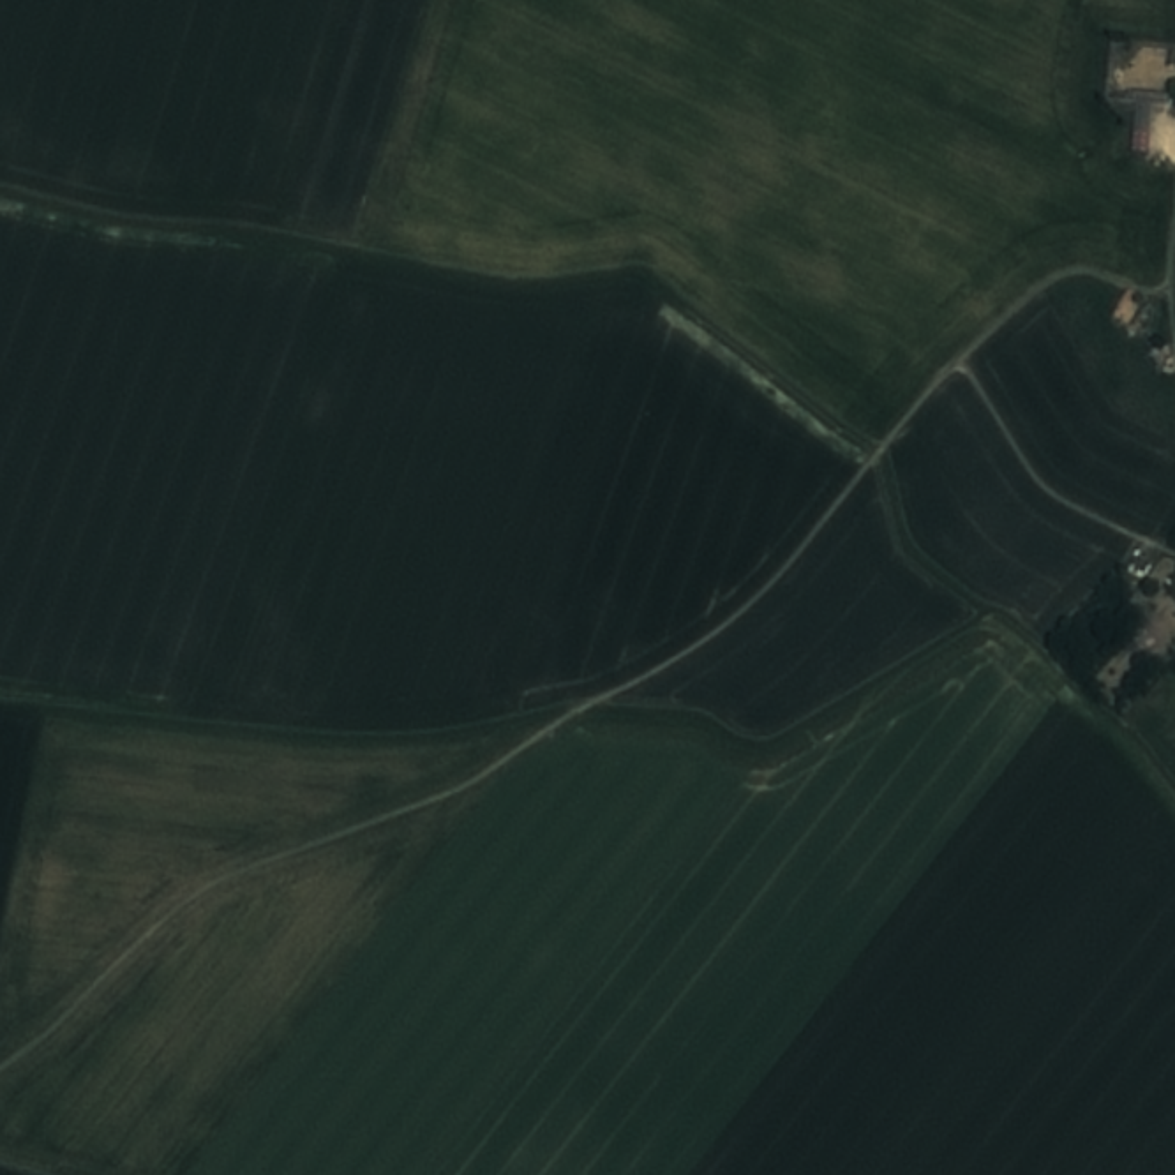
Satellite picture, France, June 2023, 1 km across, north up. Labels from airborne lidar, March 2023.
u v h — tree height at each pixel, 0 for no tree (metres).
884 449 0
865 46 0
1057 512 0
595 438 0
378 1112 0
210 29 0
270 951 0
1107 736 0
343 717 0
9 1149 0
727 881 0
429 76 0
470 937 0
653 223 0
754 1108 0
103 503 0
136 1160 0
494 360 0
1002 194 0
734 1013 0
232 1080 0
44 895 0
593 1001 0
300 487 0
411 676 0
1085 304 0
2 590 0
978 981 0
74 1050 0
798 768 0
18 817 0
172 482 0
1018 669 0
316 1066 0
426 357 0
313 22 0
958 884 0
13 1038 0
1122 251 0
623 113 0
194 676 0
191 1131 0
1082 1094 0
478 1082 0
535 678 0
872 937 0
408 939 0
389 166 0
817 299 0
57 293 0
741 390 0
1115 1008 0
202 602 0
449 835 0
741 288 0
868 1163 0
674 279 0
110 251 0
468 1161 0
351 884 0
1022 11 0
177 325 0
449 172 0
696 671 0
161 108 0
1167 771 0
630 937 0
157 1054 0
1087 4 0
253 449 0
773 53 0
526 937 0
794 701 0
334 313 0
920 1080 0
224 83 0
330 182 0
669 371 0
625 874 0
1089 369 0
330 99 0
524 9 0
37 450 0
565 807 0
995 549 0
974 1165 0
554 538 0
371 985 0
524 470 0
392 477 0
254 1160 0
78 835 0
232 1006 0
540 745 0
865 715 0
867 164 0
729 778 0
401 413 0
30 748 0
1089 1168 0
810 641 0
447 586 0
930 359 0
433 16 0
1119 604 6
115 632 0
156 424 0
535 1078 0
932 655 0
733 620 0
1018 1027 0
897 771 0
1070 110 0
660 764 0
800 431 0
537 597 0
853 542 0
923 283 0
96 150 0
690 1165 0
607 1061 0
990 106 0
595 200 0
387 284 0
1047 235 0
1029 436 0
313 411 0
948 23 0
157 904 0
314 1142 0
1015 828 0
